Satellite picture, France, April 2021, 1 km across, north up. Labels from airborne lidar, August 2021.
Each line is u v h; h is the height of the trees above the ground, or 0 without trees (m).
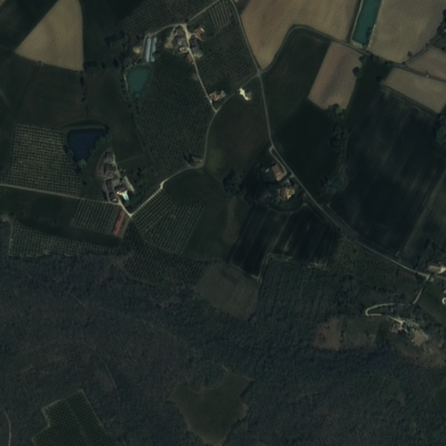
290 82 0
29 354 16
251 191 0
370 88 0
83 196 0
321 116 0
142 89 0
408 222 0
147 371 11
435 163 0
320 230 0
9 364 14
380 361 15
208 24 0
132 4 0
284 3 0
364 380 13
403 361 10
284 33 0
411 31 0
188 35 0
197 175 0
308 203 0
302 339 9
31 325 17
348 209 0
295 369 20
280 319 7
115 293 21
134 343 11
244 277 0
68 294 15
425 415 20
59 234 0
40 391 17
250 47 0
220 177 0
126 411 11
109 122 0
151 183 0
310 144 0
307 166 0
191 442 17
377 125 0
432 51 0
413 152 0
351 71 0
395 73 0
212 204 0
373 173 0
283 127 0
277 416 18
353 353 13
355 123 0
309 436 16
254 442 17
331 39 0
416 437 9
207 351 14
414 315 14
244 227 0
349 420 16
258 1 0
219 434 0
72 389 9
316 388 13
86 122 0
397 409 8
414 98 0
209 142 0
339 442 20
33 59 0
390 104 0
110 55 0
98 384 9
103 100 0
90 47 0
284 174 0
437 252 12
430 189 0
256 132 0
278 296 7
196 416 0
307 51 0
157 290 6
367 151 0
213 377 16
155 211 5
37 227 0
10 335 20
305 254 0
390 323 0
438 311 0
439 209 0
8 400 18
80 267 12
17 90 0
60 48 0
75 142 0
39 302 17
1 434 13
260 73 0
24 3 0
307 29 0
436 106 0
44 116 0
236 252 0
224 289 0
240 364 15
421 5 0
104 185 0
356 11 0
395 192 0
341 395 17
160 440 14
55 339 13
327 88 0
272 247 0
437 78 0
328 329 7
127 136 0
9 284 17
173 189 0
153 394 11
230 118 0
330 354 11
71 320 14
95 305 15
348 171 0
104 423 12
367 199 0
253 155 0
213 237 0
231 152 0
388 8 0
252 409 11
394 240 0
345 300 6
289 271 6
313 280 6
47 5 0
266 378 11
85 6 0
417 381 17
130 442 20
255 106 0
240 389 0
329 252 0
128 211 7
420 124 0
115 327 14
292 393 14
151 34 0
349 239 13
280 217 0
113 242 0
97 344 11
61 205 0
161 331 12
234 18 10
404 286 0
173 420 19
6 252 23
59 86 0
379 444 16
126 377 9
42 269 7
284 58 0
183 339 12
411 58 12
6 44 0
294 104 0
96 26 0
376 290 9
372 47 0
